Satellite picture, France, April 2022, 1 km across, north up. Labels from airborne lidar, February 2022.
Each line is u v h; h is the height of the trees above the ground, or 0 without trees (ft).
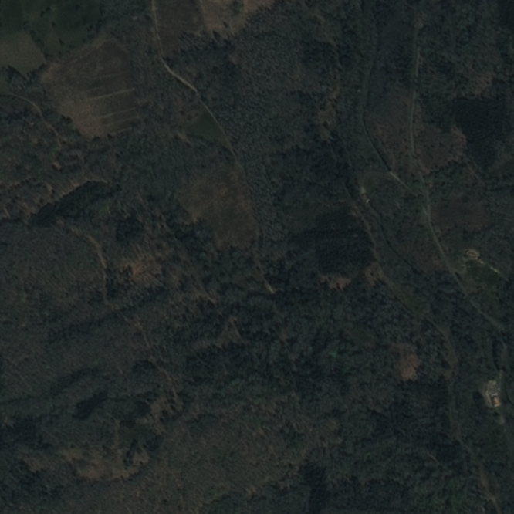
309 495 82
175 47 0
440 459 77
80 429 54
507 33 35
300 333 102
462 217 0
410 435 102
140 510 81
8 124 55
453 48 87
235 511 76
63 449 71
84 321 91
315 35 72
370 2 106
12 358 73
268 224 82
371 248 54
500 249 73
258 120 98
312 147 61
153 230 91
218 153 90
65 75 0
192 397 85
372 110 43
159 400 69
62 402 94
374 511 57
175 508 58
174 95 72
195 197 0
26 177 72
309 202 115
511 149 42
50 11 37
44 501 76
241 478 87
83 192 37
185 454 57
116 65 0
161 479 62
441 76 42
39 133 70
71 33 0
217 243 95
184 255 108
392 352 80
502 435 40
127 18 53
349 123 74
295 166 84
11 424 0
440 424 72
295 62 82
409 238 38
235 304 99
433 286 67
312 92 70
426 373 87
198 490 86
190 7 0
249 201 0
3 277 57
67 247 79
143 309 74
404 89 32
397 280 55
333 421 94
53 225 0
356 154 66
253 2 0
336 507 37
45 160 90
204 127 0
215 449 48
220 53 117
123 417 50
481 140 50
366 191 0
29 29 55
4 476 70
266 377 32
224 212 0
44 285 55
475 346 101
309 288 90
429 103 47
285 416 81
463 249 26
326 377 79
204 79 83
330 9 78
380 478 73
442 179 36
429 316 25
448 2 45
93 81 0
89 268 77
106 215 96
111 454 25
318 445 78
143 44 75
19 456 68
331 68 63
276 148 76
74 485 67
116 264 84
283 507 70
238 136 71
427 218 0
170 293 86
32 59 0
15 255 78
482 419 64
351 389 68
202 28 0
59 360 48
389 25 43
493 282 0
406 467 85
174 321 94
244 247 0
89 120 0
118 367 79
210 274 118
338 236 58
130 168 71
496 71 31
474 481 79
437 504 81
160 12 0
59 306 70
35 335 78
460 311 86
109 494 76
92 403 47
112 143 43
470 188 45
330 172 87
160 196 85
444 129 23
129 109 0
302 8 81
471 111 46
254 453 63
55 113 69
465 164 30
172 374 82
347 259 49
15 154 84
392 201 33
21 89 103
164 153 94
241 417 79
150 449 64
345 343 61
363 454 89
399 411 101
